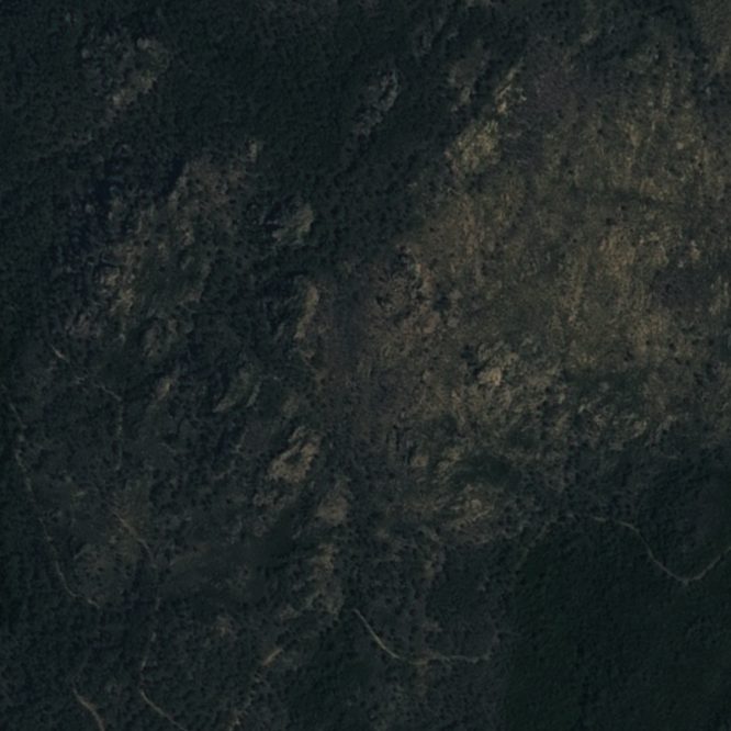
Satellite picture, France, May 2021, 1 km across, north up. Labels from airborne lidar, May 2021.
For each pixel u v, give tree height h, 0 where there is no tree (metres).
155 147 19
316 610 12
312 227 7
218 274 20
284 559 15
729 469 14
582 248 0
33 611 21
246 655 20
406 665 19
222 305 21
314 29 16
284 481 21
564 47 16
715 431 15
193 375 20
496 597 24
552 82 20
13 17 28
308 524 12
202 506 9
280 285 11
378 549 19
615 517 25
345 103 24
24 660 27
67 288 29
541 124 14
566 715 19
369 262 16
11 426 24
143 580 21
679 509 8
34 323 22
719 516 6
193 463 17
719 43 0
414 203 17
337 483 7
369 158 23
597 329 0
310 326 12
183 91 18
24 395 23
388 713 9
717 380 8
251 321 17
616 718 12
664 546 15
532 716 12
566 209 0
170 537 14
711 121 17
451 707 25
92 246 19
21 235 15
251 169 17
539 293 0
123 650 20
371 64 21
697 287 18
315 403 16
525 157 22
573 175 15
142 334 11
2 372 19
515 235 15
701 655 14
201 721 16
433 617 13
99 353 18
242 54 21
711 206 13
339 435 17
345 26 20
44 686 26
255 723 19
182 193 11
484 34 16
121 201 10
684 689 10
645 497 12
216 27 20
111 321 14
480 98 14
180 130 12
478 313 13
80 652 25
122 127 19
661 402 0
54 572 25
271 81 17
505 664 17
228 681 17
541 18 15
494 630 24
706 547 8
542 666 12
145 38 7
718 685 8
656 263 0
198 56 21
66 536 6
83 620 28
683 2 7
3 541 22
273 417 18
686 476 16
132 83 12
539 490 26
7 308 21
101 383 16
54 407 18
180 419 16
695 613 11
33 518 21
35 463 22
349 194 18
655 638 8
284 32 9
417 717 19
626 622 8
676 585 7
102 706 18
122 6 25
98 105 16
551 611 8
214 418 23
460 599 21
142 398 9
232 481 22
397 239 19
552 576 17
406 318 6
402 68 17
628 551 16
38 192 25
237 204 20
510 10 12
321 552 14
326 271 18
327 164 18
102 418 19
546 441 18
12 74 8
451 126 19
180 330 17
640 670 10
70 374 17
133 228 7
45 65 25
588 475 14
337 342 16
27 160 23
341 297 20
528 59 18
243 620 18
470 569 22
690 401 13
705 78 20
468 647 18
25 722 20
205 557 0
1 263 24
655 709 9
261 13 16
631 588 12
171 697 20
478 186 15
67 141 21
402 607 10
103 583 12
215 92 18
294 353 15
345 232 20
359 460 16
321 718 7
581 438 20
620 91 15
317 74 17
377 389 20
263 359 18
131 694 16
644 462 8
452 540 18
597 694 22
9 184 16
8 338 26
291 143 19
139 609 20
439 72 20
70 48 26
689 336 12
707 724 20
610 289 0
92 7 25
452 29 14
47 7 23
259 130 16
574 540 21
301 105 17
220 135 18
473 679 16
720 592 13
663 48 16
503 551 8
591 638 18
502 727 17
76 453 16
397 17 20
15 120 11
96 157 24
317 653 7
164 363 6
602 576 11
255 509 12
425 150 14
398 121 19
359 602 20
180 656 9
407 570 22
